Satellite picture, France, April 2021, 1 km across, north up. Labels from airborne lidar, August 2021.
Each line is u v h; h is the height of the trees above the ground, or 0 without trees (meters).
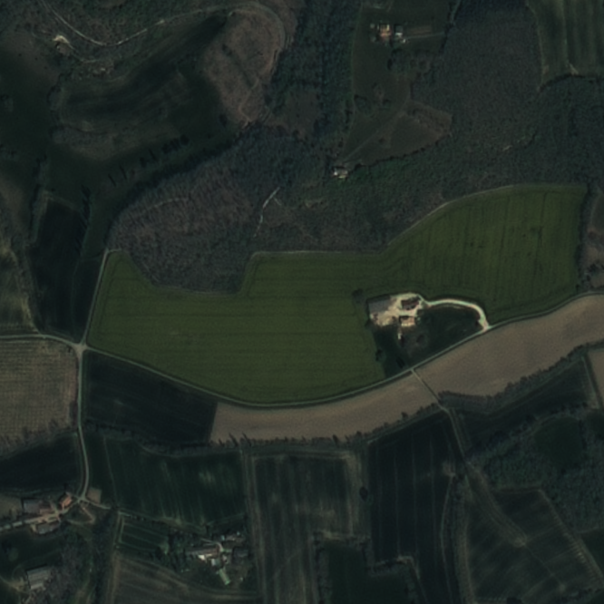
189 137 0
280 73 10
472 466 23
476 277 0
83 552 30
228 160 18
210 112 0
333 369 0
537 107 17
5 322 0
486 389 0
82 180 0
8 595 0
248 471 0
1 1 22
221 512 0
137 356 0
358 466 0
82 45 13
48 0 12
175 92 0
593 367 0
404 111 0
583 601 11
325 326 0
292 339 0
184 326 0
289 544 0
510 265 0
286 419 0
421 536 0
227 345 0
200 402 0
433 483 0
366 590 0
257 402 0
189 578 0
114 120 0
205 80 0
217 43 0
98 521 0
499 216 0
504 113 14
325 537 12
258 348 0
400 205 11
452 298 0
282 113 6
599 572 0
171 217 21
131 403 0
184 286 15
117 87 0
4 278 0
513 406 0
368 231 13
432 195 15
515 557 0
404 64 17
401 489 0
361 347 0
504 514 0
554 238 0
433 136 0
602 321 0
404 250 0
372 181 5
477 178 15
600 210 0
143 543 0
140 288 0
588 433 20
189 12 17
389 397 0
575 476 22
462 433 0
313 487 0
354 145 0
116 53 21
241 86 0
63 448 0
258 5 0
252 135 14
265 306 0
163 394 0
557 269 0
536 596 0
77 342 0
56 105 17
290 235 14
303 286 0
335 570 0
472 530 0
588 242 18
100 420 0
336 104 15
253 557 7
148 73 0
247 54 0
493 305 0
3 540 0
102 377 0
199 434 0
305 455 0
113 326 0
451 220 0
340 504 0
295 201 8
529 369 0
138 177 12
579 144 23
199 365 0
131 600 0
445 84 15
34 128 0
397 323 0
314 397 0
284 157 13
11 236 15
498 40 15
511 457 19
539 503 0
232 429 0
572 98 31
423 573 0
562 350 0
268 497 0
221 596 0
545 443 0
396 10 0
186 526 0
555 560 0
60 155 0
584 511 15
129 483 0
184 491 0
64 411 0
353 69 7
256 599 0
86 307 0
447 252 0
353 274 0
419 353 0
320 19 18
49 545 0
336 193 15
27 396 0
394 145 0
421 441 0
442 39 0
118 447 0
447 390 0
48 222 0
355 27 10
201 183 23
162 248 19
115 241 17
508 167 18
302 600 0
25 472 0
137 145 0
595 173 21
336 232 16
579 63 0
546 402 0
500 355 0
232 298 0
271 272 0
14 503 0
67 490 7
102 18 10
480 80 15
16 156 15
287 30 7
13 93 0
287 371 0
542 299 0
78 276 0
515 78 15
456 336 0
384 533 0
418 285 0
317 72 6
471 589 0
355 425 0
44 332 0
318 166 16
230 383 0
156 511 0
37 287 0
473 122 13
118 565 0
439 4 0
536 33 16
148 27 13
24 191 0
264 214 6
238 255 20
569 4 0
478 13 14
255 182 12
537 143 16
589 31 0
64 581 14
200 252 18
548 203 0
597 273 24
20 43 0
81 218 0
